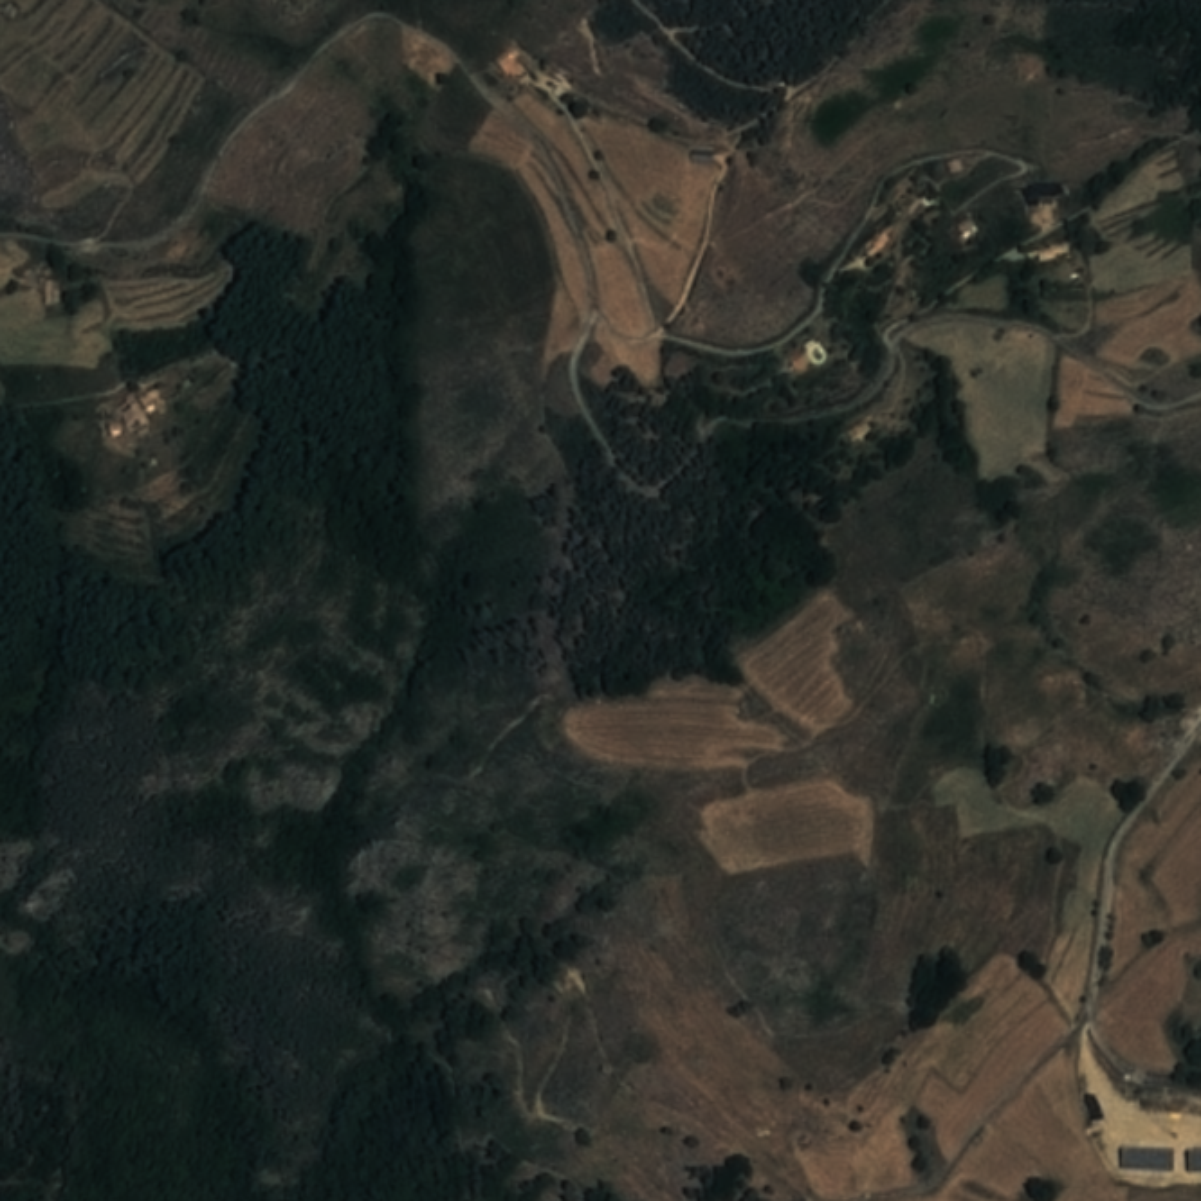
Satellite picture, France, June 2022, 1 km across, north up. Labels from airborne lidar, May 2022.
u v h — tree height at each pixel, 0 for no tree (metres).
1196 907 0
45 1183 7
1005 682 0
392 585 8
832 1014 0
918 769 0
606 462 13
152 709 13
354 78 0
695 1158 0
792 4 16
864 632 0
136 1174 10
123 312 0
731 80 7
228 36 0
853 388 0
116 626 29
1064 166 0
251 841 5
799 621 0
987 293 0
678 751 0
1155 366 0
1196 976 8
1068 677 0
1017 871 0
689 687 0
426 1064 12
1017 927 0
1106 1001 0
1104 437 0
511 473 0
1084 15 0
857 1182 0
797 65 19
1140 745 0
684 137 0
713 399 14
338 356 33
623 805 0
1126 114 0
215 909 13
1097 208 9
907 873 0
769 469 24
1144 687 0
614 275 0
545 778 0
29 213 0
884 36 0
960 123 0
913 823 0
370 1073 14
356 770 15
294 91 0
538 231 0
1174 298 0
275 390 28
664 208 0
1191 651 0
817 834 0
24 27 0
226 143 0
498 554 0
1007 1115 0
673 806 0
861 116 0
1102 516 0
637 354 0
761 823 0
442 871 0
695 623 17
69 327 0
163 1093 11
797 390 7
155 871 10
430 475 0
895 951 0
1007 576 0
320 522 9
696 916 0
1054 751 0
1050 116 0
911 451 11
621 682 20
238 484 0
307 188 0
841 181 0
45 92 0
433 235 0
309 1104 10
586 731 0
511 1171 10
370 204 0
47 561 34
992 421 0
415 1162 8
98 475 0
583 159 0
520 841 0
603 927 0
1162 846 0
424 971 0
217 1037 9
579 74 0
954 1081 0
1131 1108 0
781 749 0
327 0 0
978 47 0
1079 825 0
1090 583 0
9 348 0
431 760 8
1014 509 15
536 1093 0
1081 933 0
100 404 0
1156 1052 0
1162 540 0
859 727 0
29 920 9
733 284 0
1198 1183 0
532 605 11
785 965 0
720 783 0
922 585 0
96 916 6
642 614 17
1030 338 0
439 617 10
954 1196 0
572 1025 0
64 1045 6
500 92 0
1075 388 0
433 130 0
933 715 0
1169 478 0
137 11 0
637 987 0
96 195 0
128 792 10
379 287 21
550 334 0
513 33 0
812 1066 0
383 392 35
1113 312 0
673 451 14
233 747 0
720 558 14
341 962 11
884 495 0
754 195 0
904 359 0
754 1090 0
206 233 0
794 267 0
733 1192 12
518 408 0
